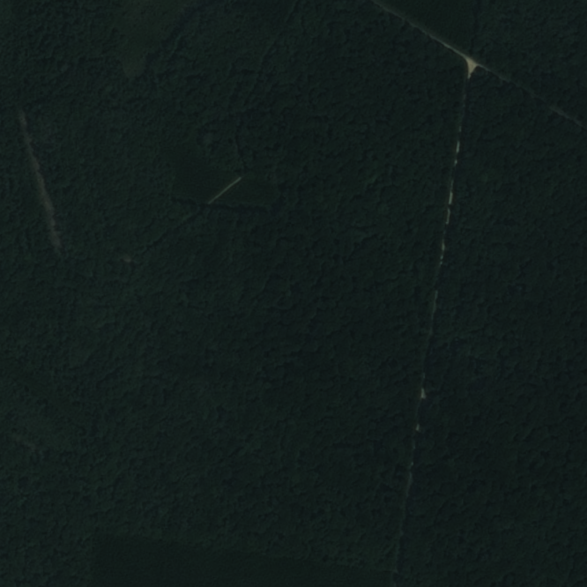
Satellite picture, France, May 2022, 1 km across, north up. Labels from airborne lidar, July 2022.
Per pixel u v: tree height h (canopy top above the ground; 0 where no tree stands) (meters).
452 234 23
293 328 31
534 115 29
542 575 27
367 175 24
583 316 28
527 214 27
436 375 29
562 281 30
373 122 29
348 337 30
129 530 26
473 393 29
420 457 27
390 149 33
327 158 31
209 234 24
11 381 14
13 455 27
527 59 24
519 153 29
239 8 28
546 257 30
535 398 28
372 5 27
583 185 25
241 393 27
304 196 29
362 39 31
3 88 21
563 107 27
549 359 30
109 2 21
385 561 21
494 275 26
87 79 18
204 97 25
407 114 30
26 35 16
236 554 10
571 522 31
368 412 26
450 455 25
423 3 10
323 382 30
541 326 30
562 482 30
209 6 32
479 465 31
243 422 26
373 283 15
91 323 20
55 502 23
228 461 25
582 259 30
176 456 22
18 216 18
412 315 33
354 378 24
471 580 27
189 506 25
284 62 24
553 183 20
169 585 9
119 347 25
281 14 25
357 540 21
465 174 28
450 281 28
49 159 30
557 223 28
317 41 29
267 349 25
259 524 25
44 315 23
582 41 27
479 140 26
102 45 11
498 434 32
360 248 32
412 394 23
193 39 35
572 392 29
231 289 29
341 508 26
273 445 25
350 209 24
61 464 24
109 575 10
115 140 28
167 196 19
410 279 24
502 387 30
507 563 33
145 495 31
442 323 24
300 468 31
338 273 28
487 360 20
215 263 24
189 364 28
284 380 25
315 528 17
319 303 31
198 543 14
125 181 20
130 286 24
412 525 24
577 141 26
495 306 31
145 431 26
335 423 23
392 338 27
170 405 20
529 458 30
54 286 26
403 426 25
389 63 30
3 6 30
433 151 26
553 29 25
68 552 28
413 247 25
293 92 26
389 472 26
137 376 21
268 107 24
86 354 24
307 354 33
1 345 17
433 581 26
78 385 16
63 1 19
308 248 25
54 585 30
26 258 25
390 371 28
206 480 27
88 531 24
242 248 20
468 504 29
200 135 16
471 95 23
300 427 24
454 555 21
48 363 27
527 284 28
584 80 33
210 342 24
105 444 24
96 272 28
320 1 27
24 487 28
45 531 23
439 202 22
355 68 31
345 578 10
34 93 19
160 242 20
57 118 30
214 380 28
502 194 32
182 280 25
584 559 29
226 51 21
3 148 21
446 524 27
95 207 16
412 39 25
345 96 32
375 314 28
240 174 26
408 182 20
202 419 24
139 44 0
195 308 23
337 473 28
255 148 28
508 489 24
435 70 31
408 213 31
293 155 34
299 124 31
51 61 25
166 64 15
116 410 25
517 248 29
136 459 27
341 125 28
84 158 18
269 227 30
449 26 8
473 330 8
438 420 28
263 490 29
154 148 14
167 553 11
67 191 23
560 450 25
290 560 11
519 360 27
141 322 25
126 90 16
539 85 28
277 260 22
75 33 19
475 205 25
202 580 10
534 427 26
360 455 30
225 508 26
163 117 20
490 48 24
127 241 27
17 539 25
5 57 20
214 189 5
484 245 16
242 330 27
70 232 27
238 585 10
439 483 25
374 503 27
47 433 21
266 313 23
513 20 25
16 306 27
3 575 23
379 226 30
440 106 28
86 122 23
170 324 29
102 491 20
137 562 11
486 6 28
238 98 30
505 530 16
